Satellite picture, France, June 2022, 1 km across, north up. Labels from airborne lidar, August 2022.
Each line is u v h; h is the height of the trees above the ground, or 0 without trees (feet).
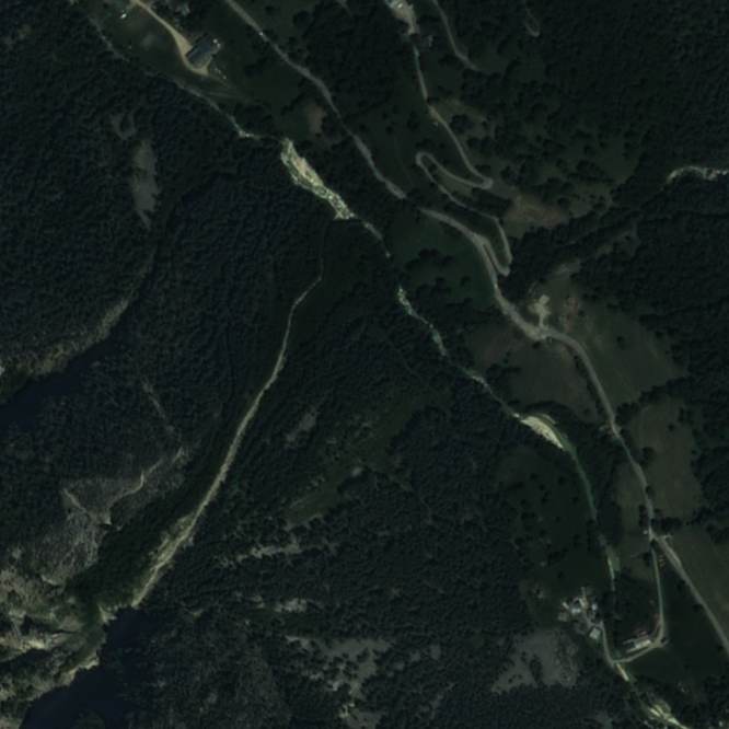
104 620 0
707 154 35
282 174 72
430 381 67
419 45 50
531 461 0
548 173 0
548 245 73
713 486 69
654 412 0
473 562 93
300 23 72
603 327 0
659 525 43
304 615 26
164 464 24
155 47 0
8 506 28
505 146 79
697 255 70
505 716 48
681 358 44
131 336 38
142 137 35
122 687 37
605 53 89
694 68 83
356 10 84
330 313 30
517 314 0
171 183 36
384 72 57
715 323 100
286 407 58
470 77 73
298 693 33
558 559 58
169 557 0
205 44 0
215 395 26
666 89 70
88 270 62
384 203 53
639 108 72
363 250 43
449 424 108
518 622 75
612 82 71
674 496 0
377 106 65
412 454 100
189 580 48
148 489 27
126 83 58
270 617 19
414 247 0
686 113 70
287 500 23
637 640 0
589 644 0
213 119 38
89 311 24
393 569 96
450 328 54
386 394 28
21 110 39
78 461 45
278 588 69
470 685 54
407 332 60
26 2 37
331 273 21
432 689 51
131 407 30
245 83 0
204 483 40
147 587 0
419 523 90
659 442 0
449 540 103
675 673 0
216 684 101
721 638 0
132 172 94
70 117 93
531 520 64
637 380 0
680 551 0
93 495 27
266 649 43
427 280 0
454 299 0
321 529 90
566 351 0
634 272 66
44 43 62
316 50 79
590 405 0
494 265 0
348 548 108
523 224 0
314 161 31
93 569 31
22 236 95
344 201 70
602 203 31
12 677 34
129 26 0
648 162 83
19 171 77
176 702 28
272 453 60
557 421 42
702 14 68
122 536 43
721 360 24
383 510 103
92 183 76
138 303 39
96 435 36
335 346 70
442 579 94
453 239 40
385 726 66
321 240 40
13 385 71
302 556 23
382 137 0
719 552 0
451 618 77
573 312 0
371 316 36
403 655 63
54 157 83
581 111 92
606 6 83
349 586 85
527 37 52
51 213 56
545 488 48
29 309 35
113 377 59
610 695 23
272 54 75
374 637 61
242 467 27
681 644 0
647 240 79
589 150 49
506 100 54
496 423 109
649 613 0
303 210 54
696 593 0
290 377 57
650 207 63
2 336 31
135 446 31
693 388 67
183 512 48
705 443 44
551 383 0
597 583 0
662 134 70
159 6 28
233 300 100
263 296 42
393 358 62
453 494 117
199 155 36
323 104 46
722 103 102
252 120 54
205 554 35
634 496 0
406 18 0
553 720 48
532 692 31
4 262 46
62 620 0
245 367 93
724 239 79
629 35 80
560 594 0
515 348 0
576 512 0
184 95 88
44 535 30
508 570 75
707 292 76
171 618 29
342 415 50
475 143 67
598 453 30
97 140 95
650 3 61
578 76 87
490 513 84
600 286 22
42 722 0
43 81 43
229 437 35
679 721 33
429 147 73
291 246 44
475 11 72
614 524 57
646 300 56
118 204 79
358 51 84
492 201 56
